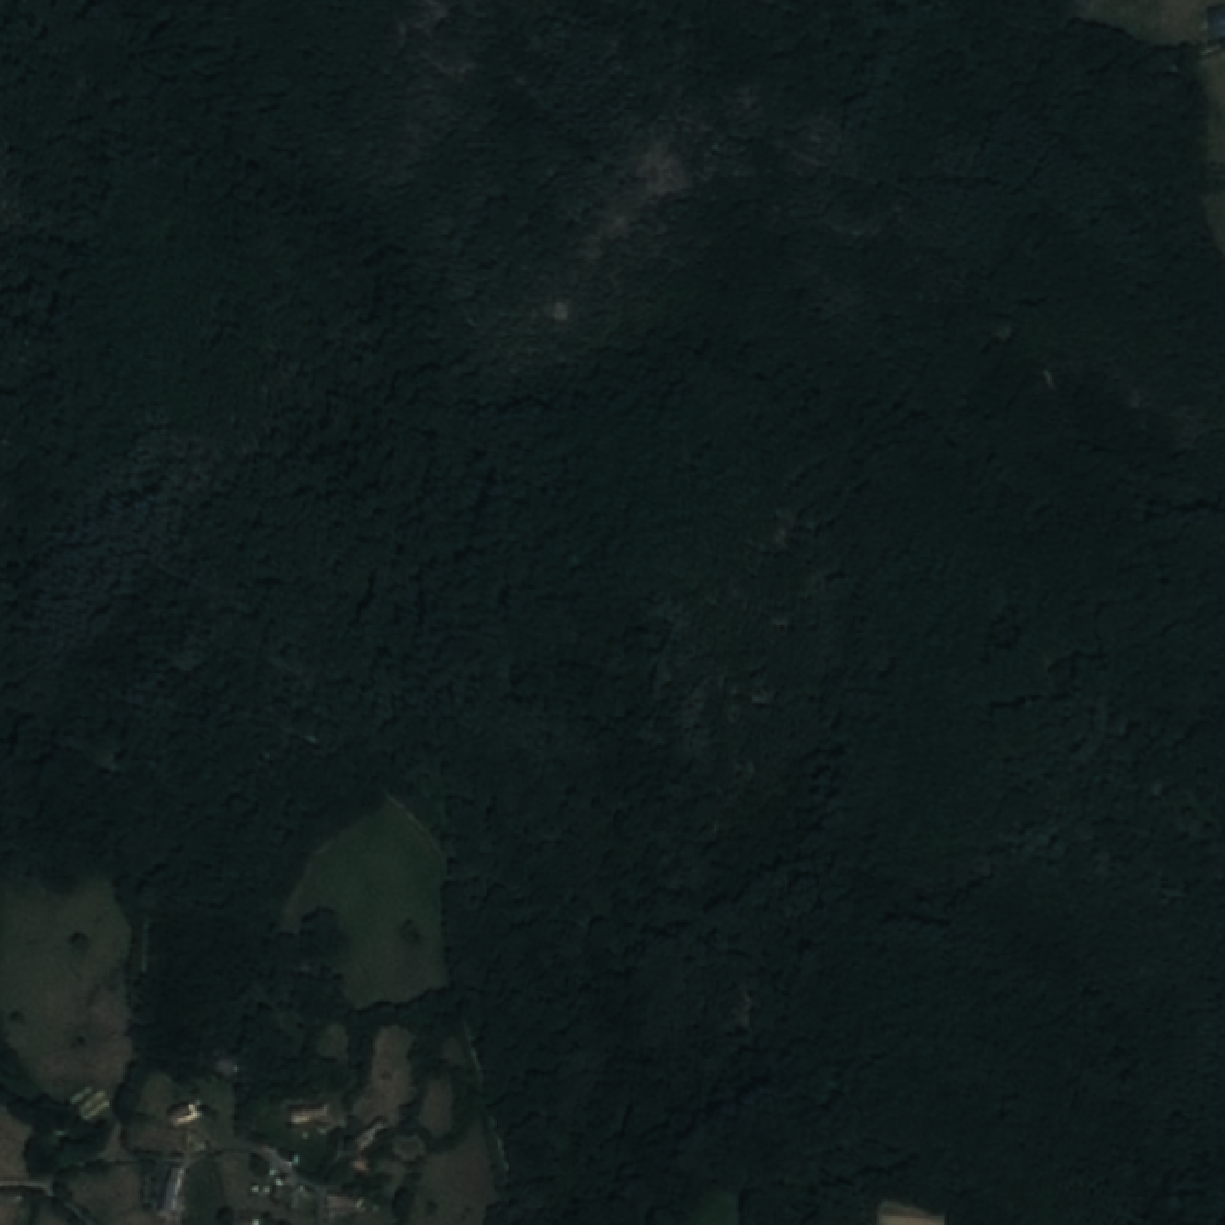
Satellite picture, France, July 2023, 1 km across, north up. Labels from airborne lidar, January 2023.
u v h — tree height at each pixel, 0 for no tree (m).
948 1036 21
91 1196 0
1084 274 22
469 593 23
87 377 23
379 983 0
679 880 22
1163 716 17
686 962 30
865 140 19
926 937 27
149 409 13
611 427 22
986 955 27
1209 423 15
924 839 18
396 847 0
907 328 15
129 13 23
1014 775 9
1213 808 13
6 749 24
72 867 23
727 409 25
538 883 23
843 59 14
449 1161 0
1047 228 21
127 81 20
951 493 21
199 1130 0
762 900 31
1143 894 16
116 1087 0
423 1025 17
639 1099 23
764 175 14
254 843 17
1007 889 17
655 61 8
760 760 24
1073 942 20
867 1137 24
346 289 26
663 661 17
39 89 19
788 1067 26
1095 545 24
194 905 13
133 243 19
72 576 23
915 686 23
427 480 24
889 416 26
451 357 19
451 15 7
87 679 23
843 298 6
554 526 24
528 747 17
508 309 14
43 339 22
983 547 19
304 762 13
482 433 19
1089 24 10
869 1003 20
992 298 19
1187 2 0
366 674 17
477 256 11
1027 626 17
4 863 19
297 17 18
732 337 23
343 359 22
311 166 20
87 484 25
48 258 33
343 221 24
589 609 28
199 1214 0
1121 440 11
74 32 22
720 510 15
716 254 12
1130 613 22
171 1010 7
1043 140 29
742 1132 31
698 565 14
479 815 17
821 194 18
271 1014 14
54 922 0
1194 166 13
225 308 19
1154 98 16
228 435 17
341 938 8
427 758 20
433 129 8
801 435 22
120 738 8
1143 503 28
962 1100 25
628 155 13
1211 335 14
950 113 21
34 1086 0
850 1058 24
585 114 14
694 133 9
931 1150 20
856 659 25
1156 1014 24
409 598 25
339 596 27
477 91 11
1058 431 24
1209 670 25
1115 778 18
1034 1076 23
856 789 24
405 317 28
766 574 19
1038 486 33
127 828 21
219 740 16
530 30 8
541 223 16
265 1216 7
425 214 20
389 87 13
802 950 6
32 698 26
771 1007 28
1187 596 21
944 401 19
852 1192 11
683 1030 29
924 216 21
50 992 0
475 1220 0
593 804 24
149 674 15
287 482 29
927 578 18
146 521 24
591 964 20
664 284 19
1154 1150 24
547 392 22
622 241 10
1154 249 16
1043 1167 22
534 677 20
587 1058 27
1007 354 14
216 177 24
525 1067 9
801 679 25
